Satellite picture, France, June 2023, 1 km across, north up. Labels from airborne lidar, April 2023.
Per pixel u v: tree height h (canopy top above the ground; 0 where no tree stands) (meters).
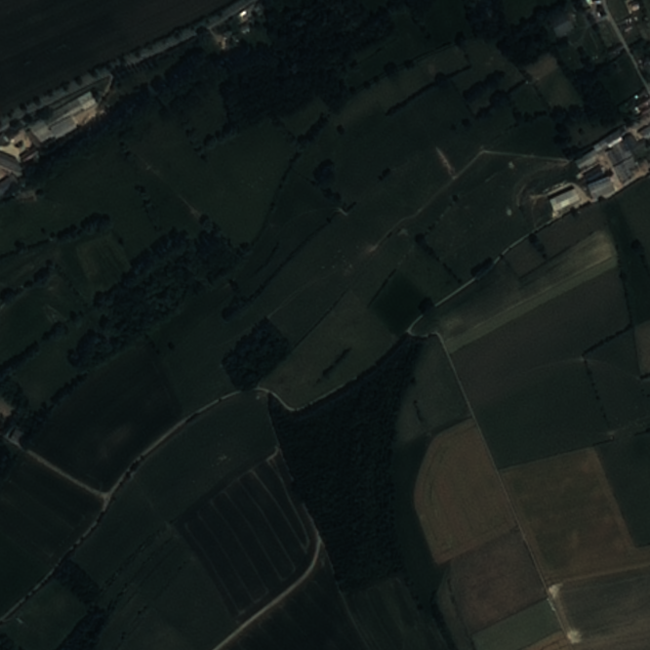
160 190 0
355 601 0
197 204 0
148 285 18
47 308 0
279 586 0
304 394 0
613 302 0
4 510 0
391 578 0
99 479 0
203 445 0
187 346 0
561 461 0
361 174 0
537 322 0
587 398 0
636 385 0
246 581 0
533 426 0
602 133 0
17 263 0
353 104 0
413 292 0
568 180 0
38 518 0
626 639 0
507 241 0
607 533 0
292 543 0
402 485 0
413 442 0
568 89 0
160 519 0
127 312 15
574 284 0
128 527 0
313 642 0
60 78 0
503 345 0
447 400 0
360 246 0
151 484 0
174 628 0
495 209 0
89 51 0
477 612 0
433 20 0
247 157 0
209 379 0
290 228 0
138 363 0
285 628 0
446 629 7
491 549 0
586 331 0
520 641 0
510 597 0
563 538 0
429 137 0
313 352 0
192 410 0
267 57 35
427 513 0
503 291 0
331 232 0
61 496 0
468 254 0
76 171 0
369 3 0
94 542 0
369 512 12
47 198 0
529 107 0
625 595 0
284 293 0
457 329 0
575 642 0
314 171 0
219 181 0
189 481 0
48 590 0
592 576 0
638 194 0
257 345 17
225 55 15
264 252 0
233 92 34
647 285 0
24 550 0
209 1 0
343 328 0
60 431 0
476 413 0
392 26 14
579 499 0
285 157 0
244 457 0
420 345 12
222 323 0
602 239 0
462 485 0
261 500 0
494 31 23
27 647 0
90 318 0
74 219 0
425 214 0
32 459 0
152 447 0
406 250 0
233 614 0
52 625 0
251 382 13
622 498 0
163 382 0
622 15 0
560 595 0
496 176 0
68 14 0
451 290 0
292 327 0
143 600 0
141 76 0
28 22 0
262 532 0
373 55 0
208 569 0
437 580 0
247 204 0
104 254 0
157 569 0
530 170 0
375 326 0
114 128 27
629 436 0
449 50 0
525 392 0
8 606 0
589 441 0
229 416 0
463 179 0
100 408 0
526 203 0
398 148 0
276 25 11
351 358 0
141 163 0
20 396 22
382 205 0
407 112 0
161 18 0
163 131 0
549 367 0
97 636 12
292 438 14
